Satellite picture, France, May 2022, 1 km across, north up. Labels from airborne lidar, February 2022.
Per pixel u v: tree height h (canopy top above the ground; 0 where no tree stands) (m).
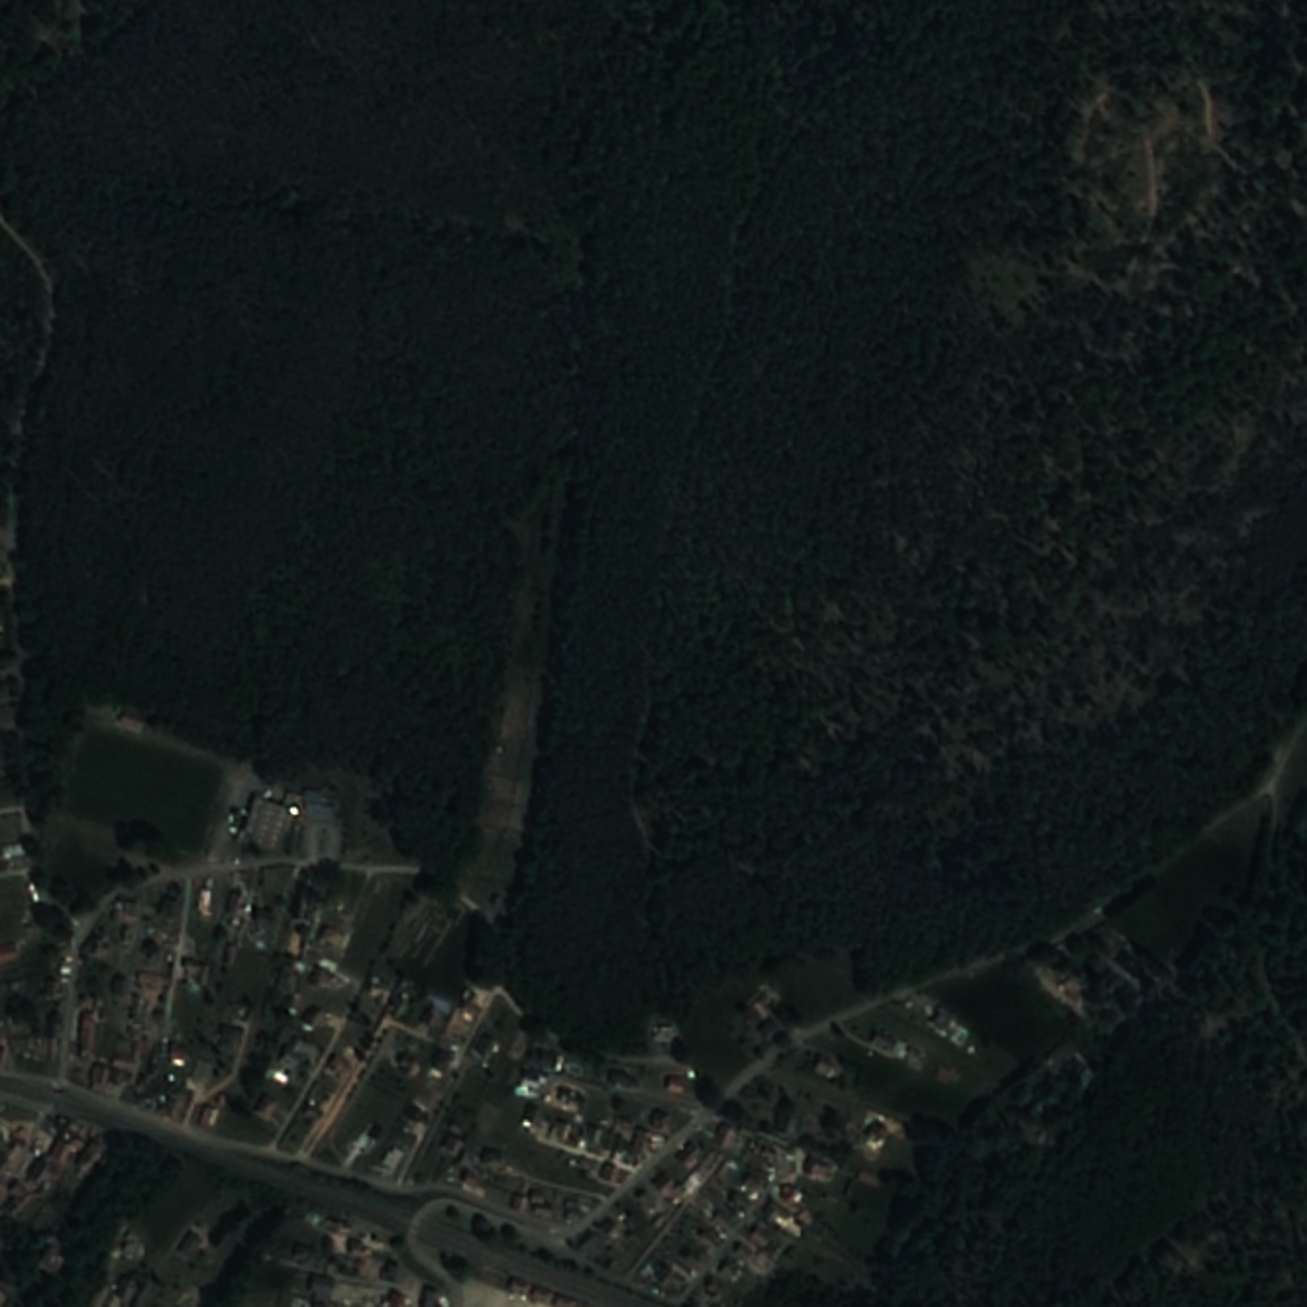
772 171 21
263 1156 0
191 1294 0
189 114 22
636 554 22
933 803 8
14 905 0
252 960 0
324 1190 0
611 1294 0
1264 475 7
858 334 24
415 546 21
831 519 18
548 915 21
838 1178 0
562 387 24
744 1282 0
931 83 26
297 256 23
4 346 30
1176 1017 23
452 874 19
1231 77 32
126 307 18
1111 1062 13
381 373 21
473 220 23
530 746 0
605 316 28
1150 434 27
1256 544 10
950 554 29
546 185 26
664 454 23
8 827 0
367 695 21
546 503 0
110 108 20
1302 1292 13
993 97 28
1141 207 0
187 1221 0
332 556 19
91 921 0
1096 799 23
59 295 12
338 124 18
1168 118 0
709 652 28
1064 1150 11
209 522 19
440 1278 0
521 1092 0
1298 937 28
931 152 28
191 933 0
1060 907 21
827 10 9
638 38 6
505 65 22
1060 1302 28
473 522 23
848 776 21
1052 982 0
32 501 17
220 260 19
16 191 24
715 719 24
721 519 24
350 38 22
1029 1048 0
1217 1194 18
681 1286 0
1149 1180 9
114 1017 0
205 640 20
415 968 0
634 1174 0
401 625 20
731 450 24
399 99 21
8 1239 8
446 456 22
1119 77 9
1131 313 8
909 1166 0
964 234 23
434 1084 0
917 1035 0
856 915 24
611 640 23
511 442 21
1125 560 6
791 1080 0
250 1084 16
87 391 18
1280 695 26
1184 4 32
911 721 10
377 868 0
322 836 0
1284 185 33
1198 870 0
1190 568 6
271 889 0
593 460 28
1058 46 28
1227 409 40
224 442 19
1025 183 22
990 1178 24
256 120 23
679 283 24
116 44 20
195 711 19
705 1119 0
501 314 20
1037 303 11
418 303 27
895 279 23
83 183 23
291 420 20
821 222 23
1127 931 0
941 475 28
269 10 20
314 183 24
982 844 21
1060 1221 11
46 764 21
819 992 0
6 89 10
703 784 26
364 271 23
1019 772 18
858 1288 0
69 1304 21
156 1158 20
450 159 22
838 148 24
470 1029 0
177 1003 0
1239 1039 18
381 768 18
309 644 18
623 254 25
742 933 19
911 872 28
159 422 17
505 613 22
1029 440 28
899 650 9
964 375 29
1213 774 24
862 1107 0
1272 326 30
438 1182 0
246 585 16
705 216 24
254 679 20
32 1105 0
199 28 22
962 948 25
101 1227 18
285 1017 13
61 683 19
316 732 22
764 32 30
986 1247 33
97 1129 0
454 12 23
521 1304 0
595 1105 0
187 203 22
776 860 26
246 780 0
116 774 0
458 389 21
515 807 0
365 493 22
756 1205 0
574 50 28
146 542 18
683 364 24
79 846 0
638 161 25
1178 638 6
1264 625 22
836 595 29
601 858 21
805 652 33
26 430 13
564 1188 0
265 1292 0
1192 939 0
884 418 24
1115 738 26
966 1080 0
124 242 21
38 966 0
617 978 19
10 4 26
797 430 23
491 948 22
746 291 24
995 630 33
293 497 20
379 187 24
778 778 27
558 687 20
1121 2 28
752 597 26
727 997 0
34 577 15
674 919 23
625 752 19
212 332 20
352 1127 0
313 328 20
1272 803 0
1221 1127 13
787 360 25
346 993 0
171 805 0
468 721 18
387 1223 0
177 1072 0
